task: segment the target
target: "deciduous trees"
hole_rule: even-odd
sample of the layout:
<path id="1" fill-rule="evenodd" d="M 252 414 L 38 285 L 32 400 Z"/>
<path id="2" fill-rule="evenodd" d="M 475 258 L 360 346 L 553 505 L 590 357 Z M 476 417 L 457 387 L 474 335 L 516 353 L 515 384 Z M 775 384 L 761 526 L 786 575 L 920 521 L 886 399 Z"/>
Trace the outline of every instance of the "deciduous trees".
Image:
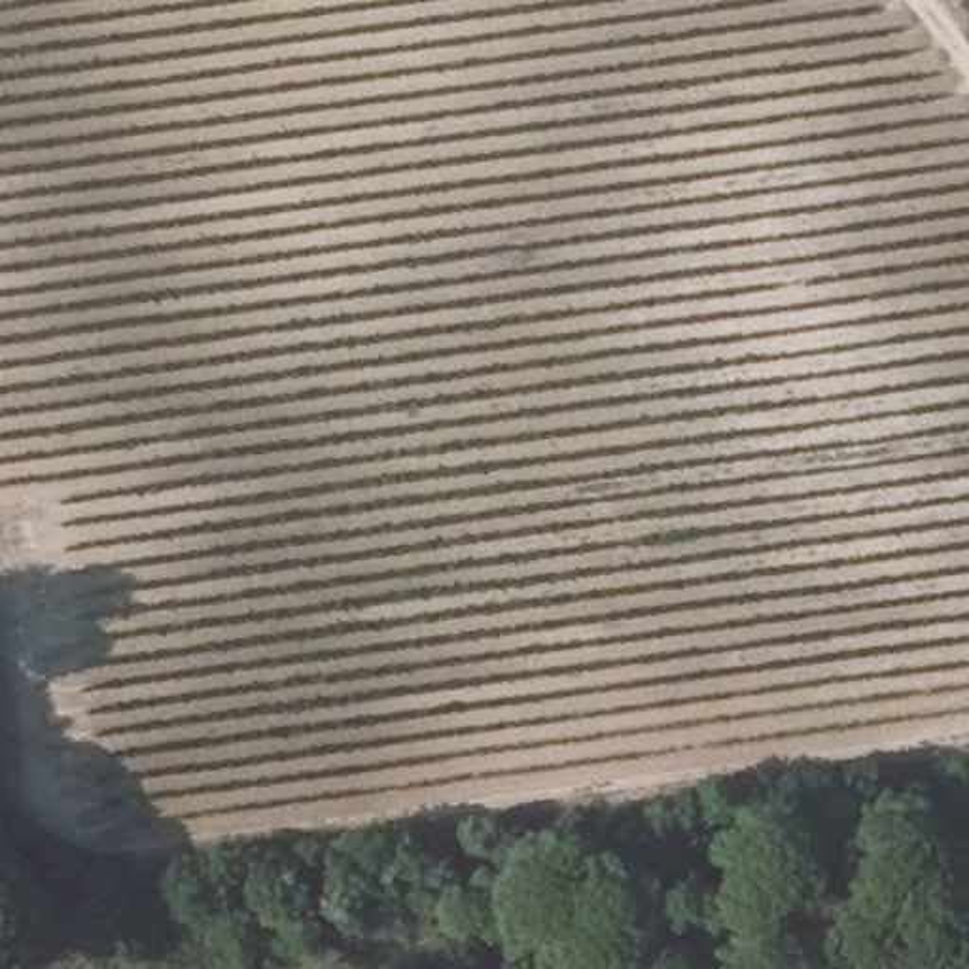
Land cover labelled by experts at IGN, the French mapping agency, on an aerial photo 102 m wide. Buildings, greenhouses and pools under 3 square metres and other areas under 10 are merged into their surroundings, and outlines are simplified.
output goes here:
<path id="1" fill-rule="evenodd" d="M 102 954 L 76 954 L 79 969 L 333 969 L 341 958 L 337 950 L 326 950 L 326 943 L 337 931 L 337 924 L 348 920 L 348 905 L 360 897 L 386 897 L 394 905 L 409 905 L 420 916 L 424 946 L 447 969 L 969 969 L 969 749 L 916 746 L 848 761 L 776 757 L 742 772 L 708 776 L 689 787 L 659 791 L 632 802 L 541 799 L 507 810 L 435 806 L 360 829 L 280 829 L 265 837 L 197 844 L 193 852 L 174 855 L 167 863 L 159 890 L 170 908 L 170 920 L 182 924 L 185 935 L 167 954 L 140 950 L 136 943 L 114 943 Z"/>

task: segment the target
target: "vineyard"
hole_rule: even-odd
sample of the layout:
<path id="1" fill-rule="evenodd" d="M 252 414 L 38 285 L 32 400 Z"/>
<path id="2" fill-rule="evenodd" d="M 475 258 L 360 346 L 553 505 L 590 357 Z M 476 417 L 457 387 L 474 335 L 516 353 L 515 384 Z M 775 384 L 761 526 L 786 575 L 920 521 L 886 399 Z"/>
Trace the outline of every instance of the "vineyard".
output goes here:
<path id="1" fill-rule="evenodd" d="M 167 863 L 174 855 L 193 852 L 197 844 L 265 837 L 280 829 L 360 829 L 435 806 L 507 810 L 541 799 L 632 802 L 659 791 L 689 787 L 708 776 L 742 772 L 776 757 L 848 761 L 916 746 L 969 749 L 969 0 L 0 0 L 0 780 L 38 814 L 45 829 L 83 844 L 91 859 L 106 859 L 106 852 L 155 852 Z"/>

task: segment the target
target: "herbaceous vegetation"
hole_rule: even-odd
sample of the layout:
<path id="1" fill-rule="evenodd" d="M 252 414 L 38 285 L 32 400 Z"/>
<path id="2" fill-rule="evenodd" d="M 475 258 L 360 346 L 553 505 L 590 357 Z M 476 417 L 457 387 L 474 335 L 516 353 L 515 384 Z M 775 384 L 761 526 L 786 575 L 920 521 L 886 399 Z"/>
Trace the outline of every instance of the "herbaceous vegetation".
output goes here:
<path id="1" fill-rule="evenodd" d="M 38 814 L 0 780 L 0 969 L 79 969 L 76 954 L 102 954 L 114 943 L 136 943 L 140 950 L 167 954 L 185 935 L 182 924 L 170 920 L 170 908 L 159 890 L 167 863 L 155 852 L 106 852 L 106 859 L 91 859 L 83 844 L 45 829 Z"/>
<path id="2" fill-rule="evenodd" d="M 326 943 L 326 950 L 337 950 L 341 958 L 333 969 L 447 969 L 424 946 L 420 916 L 409 905 L 394 905 L 386 897 L 360 897 L 348 905 L 348 920 L 337 924 L 337 931 Z"/>

